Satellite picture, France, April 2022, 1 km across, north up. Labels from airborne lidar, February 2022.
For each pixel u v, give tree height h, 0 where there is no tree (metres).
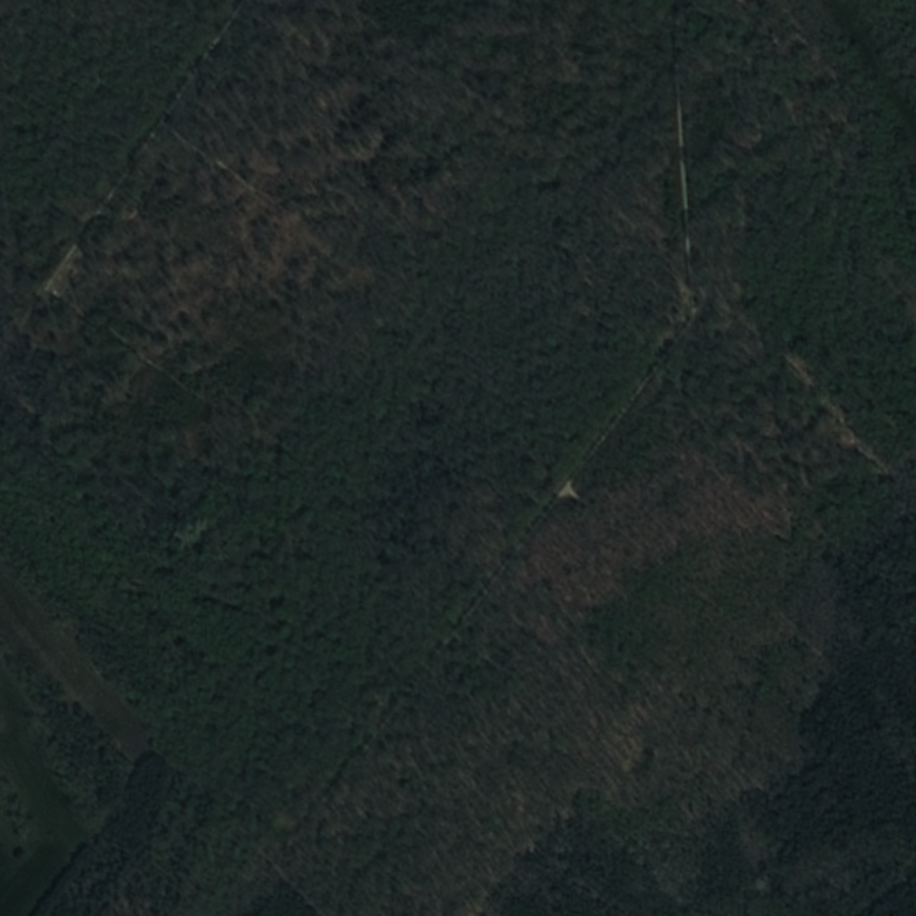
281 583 25
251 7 21
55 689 12
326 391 25
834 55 21
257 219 0
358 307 24
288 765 26
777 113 27
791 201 27
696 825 9
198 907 23
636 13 28
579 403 23
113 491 28
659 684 30
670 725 26
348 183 28
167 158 0
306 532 31
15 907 0
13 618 0
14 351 26
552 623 30
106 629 22
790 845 19
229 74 24
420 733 25
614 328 25
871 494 24
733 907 16
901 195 21
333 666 22
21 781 0
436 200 21
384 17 9
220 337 0
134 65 22
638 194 26
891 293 26
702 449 26
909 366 23
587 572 0
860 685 20
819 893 22
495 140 24
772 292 28
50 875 0
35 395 25
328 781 25
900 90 16
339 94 28
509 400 23
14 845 0
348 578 24
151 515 29
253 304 28
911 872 12
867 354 23
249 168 24
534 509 25
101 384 29
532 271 24
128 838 17
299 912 15
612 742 30
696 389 28
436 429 23
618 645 30
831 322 20
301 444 27
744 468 23
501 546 25
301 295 26
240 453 30
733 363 28
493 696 25
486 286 25
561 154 26
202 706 29
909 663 20
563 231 26
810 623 17
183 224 0
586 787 25
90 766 24
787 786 27
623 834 18
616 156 23
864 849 13
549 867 23
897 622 16
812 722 17
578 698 30
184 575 28
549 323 26
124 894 28
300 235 0
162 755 15
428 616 23
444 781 25
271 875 18
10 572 0
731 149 27
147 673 21
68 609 23
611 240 25
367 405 26
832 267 26
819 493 25
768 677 17
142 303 0
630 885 19
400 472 21
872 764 29
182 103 24
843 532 26
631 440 0
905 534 23
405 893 24
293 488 23
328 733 27
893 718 21
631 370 21
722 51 26
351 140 29
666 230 23
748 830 17
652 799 21
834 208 23
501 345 24
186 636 19
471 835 22
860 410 29
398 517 22
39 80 25
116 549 25
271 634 24
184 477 33
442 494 28
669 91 24
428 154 25
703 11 28
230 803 26
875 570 27
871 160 18
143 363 8
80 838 0
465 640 23
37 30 26
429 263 24
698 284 24
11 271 24
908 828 23
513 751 25
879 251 20
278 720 26
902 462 26
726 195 22
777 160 28
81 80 25
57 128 26
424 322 26
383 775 22
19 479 25
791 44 25
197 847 29
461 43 24
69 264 0
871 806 25
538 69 11
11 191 26
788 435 26
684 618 18
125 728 0
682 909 17
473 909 26
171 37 24
